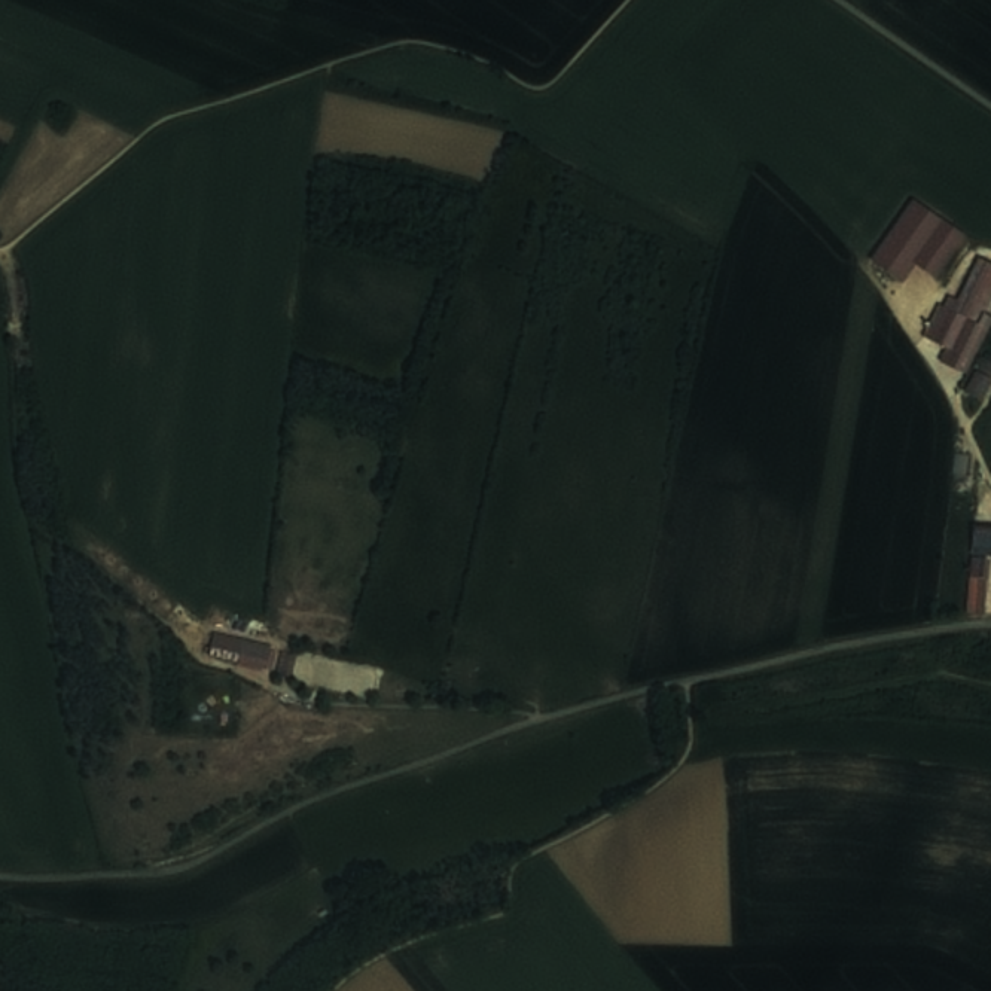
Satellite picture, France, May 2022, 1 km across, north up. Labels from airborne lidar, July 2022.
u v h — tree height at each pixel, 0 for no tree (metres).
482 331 0
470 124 0
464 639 0
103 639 20
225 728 0
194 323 0
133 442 0
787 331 0
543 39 0
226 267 0
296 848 0
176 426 0
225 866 0
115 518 0
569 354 0
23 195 0
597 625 0
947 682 6
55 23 0
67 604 21
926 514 0
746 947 0
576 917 0
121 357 0
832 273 0
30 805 0
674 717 16
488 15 0
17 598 0
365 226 22
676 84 0
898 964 0
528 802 0
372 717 0
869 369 0
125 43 0
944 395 0
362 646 0
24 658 0
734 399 0
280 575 0
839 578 0
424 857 0
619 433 0
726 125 0
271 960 0
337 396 20
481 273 0
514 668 0
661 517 0
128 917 0
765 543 0
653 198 0
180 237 0
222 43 0
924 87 0
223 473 0
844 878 0
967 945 0
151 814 0
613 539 0
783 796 0
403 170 11
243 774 0
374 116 0
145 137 0
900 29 0
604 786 0
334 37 0
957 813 0
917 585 0
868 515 0
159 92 0
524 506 0
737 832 0
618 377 7
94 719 19
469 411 0
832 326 0
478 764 0
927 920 0
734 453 0
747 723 0
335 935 19
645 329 6
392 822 0
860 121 0
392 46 0
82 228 0
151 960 11
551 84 0
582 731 0
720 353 0
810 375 0
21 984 7
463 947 0
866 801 0
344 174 19
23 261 0
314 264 0
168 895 0
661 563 0
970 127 0
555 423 0
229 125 0
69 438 0
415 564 0
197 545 0
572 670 0
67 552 16
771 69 0
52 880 0
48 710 0
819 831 0
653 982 0
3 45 0
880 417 0
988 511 0
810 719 0
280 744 0
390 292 0
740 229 0
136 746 0
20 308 0
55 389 0
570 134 0
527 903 0
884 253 0
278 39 0
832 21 0
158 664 15
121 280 0
